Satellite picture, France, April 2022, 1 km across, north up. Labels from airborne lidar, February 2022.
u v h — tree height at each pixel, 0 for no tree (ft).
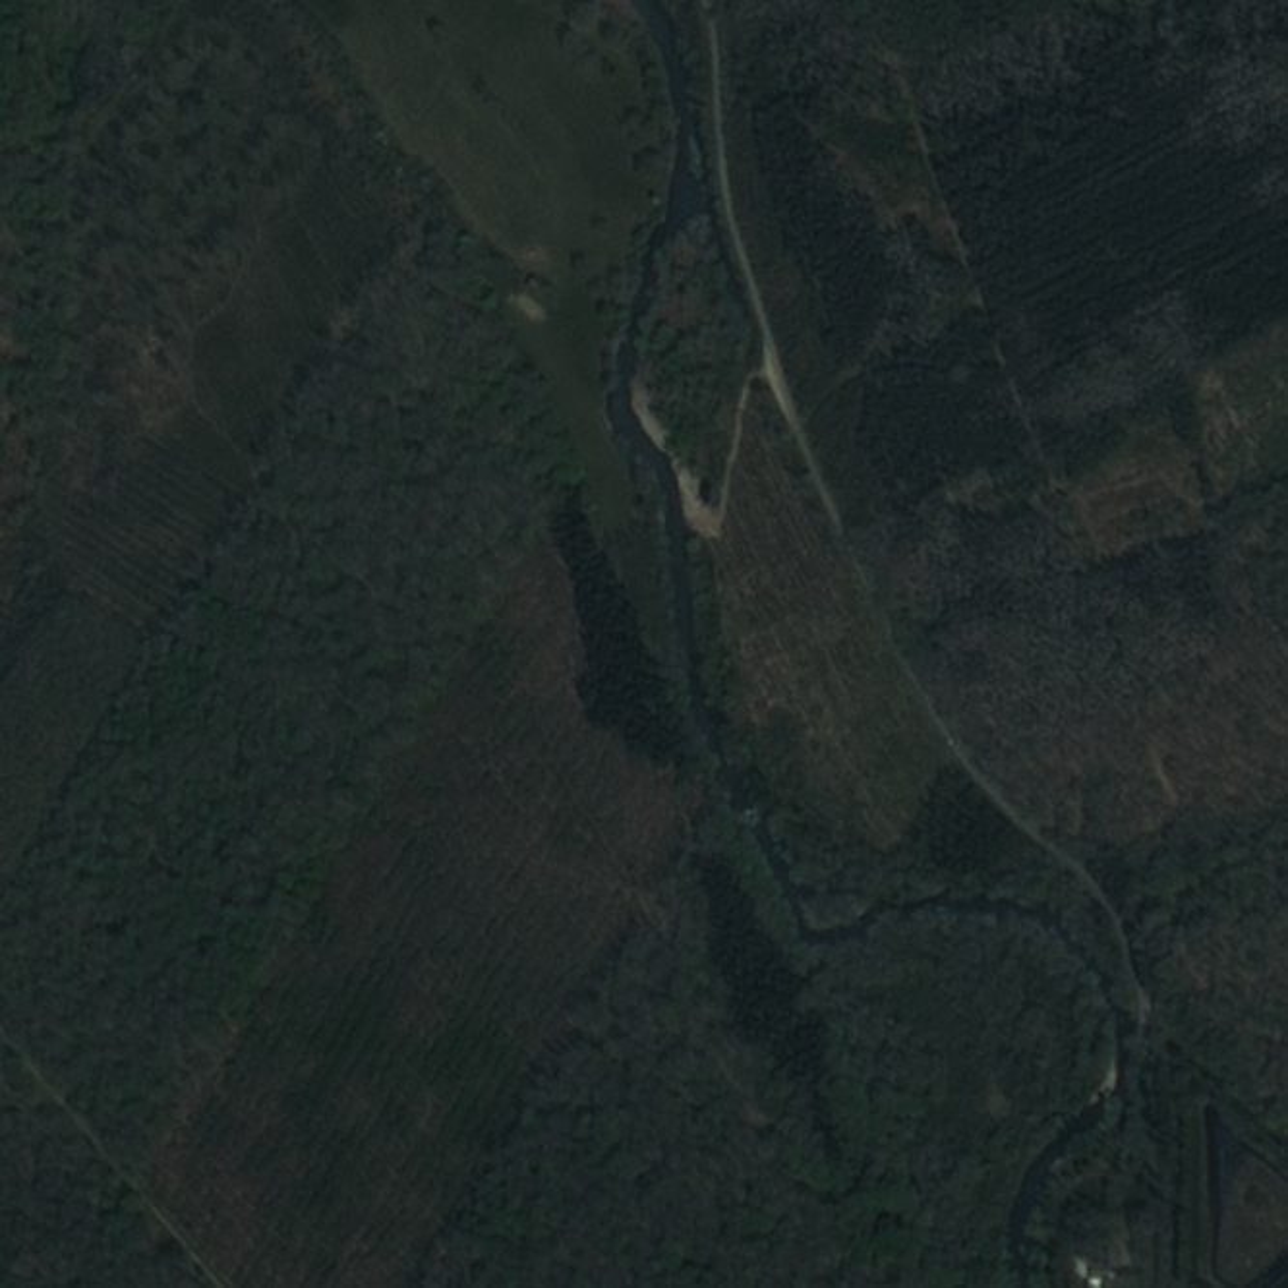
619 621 61
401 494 96
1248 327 47
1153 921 68
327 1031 19
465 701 33
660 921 0
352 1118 21
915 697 0
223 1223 30
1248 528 80
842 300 60
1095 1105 0
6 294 94
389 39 0
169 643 90
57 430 70
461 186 0
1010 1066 39
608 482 0
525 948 23
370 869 35
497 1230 86
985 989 75
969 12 79
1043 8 76
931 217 0
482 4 0
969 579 82
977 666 72
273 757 97
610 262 0
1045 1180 0
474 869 28
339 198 0
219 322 0
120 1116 69
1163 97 66
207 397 0
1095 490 0
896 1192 87
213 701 91
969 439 47
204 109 68
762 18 75
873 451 28
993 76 52
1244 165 68
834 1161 81
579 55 73
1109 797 106
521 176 0
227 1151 27
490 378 71
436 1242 24
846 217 60
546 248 0
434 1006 26
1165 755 82
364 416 96
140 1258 85
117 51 75
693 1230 103
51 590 21
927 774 0
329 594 80
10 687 54
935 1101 39
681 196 0
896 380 66
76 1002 86
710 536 0
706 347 86
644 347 37
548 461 68
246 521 83
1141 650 76
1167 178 74
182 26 0
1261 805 83
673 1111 100
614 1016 102
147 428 0
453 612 92
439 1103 18
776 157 53
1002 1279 72
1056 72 82
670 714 74
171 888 93
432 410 83
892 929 61
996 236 72
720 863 72
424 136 0
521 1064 22
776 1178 100
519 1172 90
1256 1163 0
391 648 97
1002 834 0
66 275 80
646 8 0
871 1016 86
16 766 0
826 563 0
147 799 89
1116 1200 54
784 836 52
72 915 92
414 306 84
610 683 72
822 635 0
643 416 0
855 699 0
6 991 83
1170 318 63
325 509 92
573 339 0
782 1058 66
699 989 92
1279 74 54
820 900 59
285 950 83
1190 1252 78
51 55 71
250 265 0
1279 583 77
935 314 84
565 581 34
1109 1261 53
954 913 42
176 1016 87
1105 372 58
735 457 0
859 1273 80
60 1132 94
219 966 80
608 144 0
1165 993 56
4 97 63
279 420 0
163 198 0
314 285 0
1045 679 85
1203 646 82
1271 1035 85
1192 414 54
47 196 95
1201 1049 70
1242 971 80
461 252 39
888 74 81
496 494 107
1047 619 85
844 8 73
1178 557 88
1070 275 45
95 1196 86
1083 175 66
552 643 30
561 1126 96
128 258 89
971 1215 53
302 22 66
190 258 0
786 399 0
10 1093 92
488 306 38
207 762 91
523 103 0
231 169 0
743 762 69
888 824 0
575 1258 108
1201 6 35
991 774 79
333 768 84
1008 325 62
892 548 66
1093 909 84
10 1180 86
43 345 66
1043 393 52
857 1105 72
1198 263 62
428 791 22
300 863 72
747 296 0
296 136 79
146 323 0
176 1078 85
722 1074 101
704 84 18
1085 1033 46
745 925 66
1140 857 89
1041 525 94
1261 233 55
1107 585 80
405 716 100
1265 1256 0
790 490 0
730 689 40
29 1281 96
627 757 32
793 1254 100
